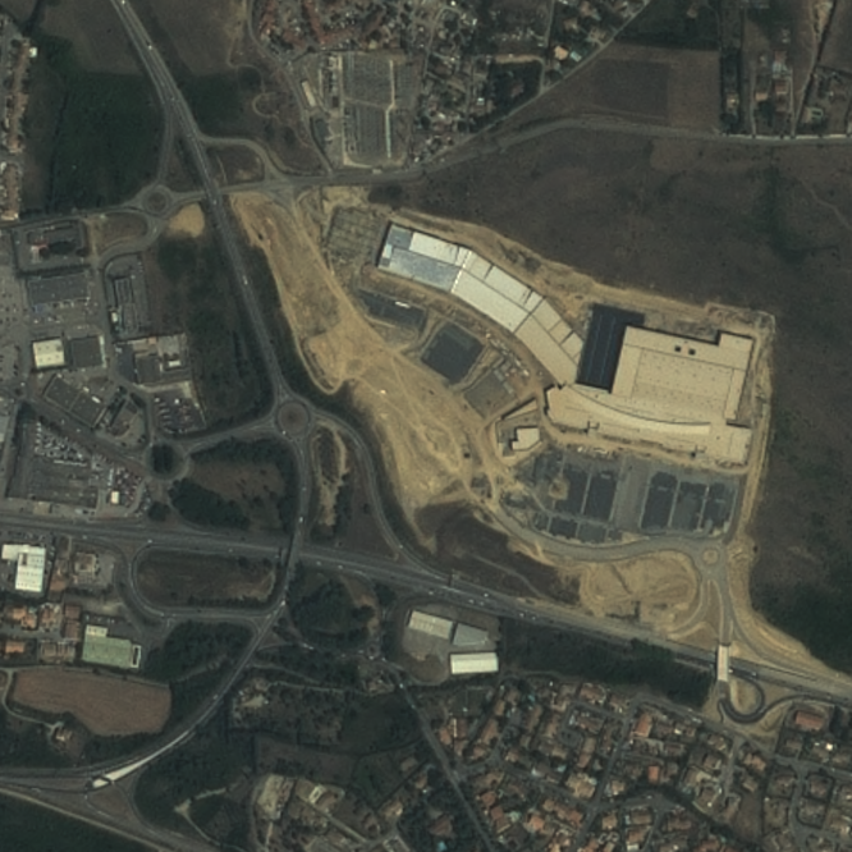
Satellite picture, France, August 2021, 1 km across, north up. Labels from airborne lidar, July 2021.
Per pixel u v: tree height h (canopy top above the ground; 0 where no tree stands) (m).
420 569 0
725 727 0
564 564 0
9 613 0
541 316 0
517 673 0
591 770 6
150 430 0
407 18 6
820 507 0
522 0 0
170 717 7
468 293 0
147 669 7
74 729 7
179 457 0
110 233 0
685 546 0
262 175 0
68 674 0
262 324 0
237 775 0
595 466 0
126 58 0
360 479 0
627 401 0
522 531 0
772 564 0
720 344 0
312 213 0
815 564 0
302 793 0
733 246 0
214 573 0
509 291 0
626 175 0
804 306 0
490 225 0
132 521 0
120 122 9
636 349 0
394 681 8
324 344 0
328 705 10
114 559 0
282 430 0
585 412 0
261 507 11
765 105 10
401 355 0
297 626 12
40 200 0
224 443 9
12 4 0
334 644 17
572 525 0
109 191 0
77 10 0
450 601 0
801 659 0
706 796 0
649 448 0
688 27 8
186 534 0
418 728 11
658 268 0
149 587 0
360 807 7
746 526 0
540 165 0
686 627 0
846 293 0
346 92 0
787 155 0
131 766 0
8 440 0
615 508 0
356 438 0
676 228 0
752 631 0
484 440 0
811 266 0
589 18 8
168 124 0
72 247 12
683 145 0
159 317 0
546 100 0
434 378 0
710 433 0
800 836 0
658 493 0
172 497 8
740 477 0
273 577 0
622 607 0
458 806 13
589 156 0
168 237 0
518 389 0
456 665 0
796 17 0
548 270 0
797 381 0
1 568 0
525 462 0
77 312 0
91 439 0
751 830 0
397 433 0
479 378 0
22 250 0
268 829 0
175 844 0
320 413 0
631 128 0
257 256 0
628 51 0
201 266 0
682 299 0
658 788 7
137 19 0
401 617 0
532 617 0
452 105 7
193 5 0
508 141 0
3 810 11
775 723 0
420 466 0
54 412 0
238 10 0
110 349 0
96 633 0
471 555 0
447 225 0
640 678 8
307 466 0
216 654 8
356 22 6
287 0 0
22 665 0
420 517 0
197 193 0
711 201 0
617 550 0
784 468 0
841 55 0
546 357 0
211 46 0
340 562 0
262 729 7
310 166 0
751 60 0
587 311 0
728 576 0
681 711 0
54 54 8
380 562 0
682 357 0
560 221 0
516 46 0
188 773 9
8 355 0
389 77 0
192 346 0
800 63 0
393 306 0
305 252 0
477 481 0
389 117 0
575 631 0
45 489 0
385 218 0
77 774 0
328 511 0
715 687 0
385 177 0
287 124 0
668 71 0
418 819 10
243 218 0
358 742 0
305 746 8
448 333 0
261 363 7
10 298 0
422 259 0
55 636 0
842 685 0
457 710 0
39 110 0
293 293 0
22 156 0
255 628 0
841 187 0
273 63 0
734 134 9
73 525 0
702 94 0
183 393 0
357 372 0
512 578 0
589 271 0
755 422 0
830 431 0
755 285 0
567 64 11
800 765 0
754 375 0
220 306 0
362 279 0
